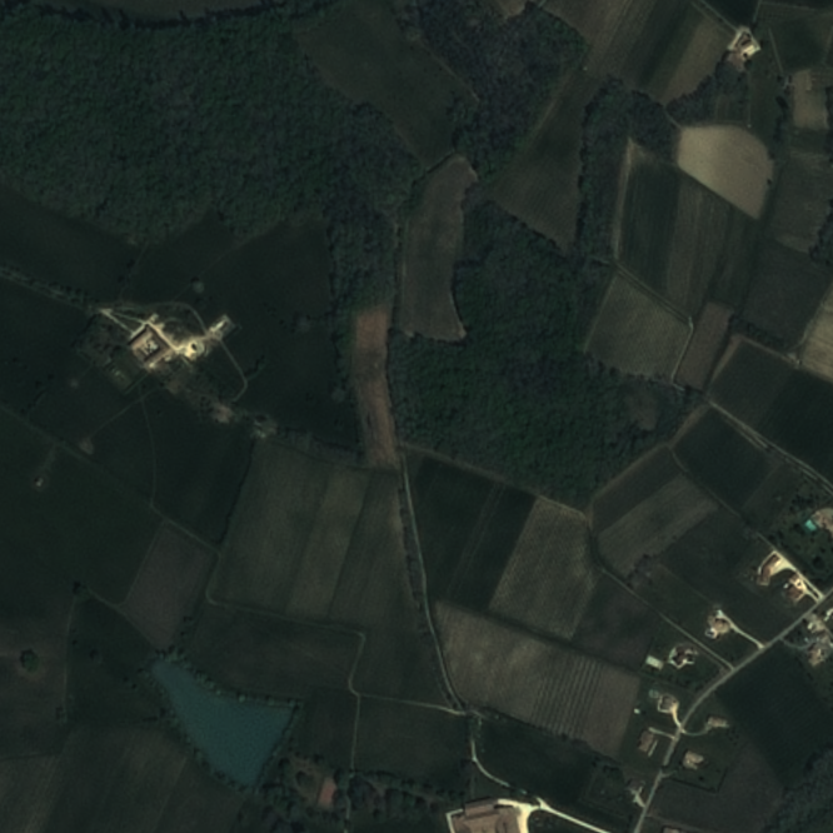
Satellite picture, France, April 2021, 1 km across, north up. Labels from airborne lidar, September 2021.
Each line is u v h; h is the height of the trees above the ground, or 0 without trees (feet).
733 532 0
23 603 0
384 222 64
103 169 80
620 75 0
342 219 76
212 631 0
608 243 63
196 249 0
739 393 0
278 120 67
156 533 0
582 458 68
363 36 0
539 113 66
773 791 0
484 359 66
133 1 0
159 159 83
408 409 62
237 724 0
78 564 0
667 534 0
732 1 0
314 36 0
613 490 0
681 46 0
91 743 0
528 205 0
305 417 0
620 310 0
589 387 69
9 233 0
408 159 62
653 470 0
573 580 0
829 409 0
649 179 0
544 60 58
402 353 49
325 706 0
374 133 63
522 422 83
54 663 0
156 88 72
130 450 0
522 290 79
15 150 73
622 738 0
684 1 0
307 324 52
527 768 0
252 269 0
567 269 84
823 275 0
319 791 0
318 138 71
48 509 0
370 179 72
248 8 0
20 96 65
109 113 68
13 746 0
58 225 0
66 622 0
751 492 0
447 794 21
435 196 0
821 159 0
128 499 0
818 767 57
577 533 0
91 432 0
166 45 73
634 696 0
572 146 0
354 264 28
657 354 0
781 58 0
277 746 18
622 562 0
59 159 83
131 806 0
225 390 25
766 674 0
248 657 0
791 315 0
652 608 0
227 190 67
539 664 0
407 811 61
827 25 0
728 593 0
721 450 0
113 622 0
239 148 65
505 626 0
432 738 0
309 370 0
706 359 0
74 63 67
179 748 0
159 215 71
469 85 34
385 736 0
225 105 64
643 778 0
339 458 66
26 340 0
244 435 0
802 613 0
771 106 0
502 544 0
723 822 0
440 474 0
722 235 0
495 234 72
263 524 0
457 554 0
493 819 0
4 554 0
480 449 73
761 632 0
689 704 0
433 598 0
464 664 0
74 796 0
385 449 0
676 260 0
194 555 0
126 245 0
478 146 65
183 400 0
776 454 39
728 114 0
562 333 76
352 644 0
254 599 0
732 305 0
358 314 53
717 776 0
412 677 0
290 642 0
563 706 0
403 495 45
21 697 0
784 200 0
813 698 0
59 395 0
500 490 0
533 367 86
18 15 77
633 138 53
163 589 0
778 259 0
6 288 0
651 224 0
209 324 0
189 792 0
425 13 60
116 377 0
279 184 70
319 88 64
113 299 0
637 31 0
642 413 0
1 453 0
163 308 0
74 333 0
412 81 0
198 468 0
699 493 0
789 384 0
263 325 0
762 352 0
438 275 0
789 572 0
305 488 0
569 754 0
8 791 0
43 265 0
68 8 0
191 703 0
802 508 29
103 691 0
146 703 0
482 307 70
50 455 0
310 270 0
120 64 78
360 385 0
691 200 0
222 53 69
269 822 42
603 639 0
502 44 60
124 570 0
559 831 0
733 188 0
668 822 0
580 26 0
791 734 0
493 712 20
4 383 0
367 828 0
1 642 0
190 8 0
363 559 0
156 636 0
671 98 0
